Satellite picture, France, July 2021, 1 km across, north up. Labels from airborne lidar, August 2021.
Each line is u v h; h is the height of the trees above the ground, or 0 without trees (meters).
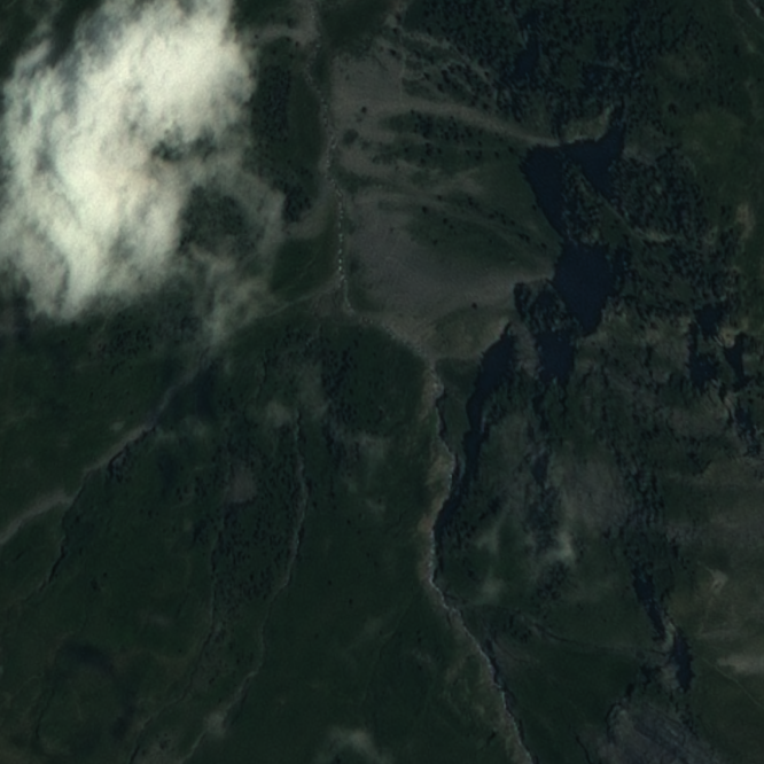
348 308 0
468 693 0
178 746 0
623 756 0
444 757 0
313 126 0
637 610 0
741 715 0
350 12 0
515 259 0
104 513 0
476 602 0
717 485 0
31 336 0
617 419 0
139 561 0
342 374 12
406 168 0
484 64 14
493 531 0
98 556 0
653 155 0
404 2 0
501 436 0
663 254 0
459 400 0
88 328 7
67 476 0
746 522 0
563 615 0
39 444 0
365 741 0
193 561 0
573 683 0
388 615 0
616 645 0
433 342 0
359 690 0
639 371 0
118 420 0
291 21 9
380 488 0
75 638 0
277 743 0
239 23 0
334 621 0
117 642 0
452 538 7
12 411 0
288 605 0
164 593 0
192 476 0
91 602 0
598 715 0
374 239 0
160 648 0
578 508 0
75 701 0
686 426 0
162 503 0
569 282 0
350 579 0
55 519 0
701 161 0
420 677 0
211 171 7
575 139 0
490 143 0
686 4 0
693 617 0
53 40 0
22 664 0
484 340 0
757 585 0
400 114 0
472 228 0
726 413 0
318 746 0
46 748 0
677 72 0
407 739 0
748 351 8
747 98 0
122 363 7
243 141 0
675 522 0
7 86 0
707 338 15
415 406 0
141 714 0
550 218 0
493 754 0
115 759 0
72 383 0
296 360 7
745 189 0
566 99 7
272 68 8
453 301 0
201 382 0
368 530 0
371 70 0
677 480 0
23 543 0
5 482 0
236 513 7
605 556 0
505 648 0
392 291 0
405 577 0
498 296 0
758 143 0
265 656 0
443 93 11
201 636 0
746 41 0
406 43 0
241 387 0
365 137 0
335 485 0
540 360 0
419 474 0
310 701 0
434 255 0
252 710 0
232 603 7
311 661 0
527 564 0
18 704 0
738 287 8
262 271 0
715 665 0
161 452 0
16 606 0
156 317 0
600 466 0
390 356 0
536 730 0
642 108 7
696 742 0
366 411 0
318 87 0
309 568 0
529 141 0
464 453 0
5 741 0
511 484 0
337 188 0
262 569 0
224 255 10
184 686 0
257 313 0
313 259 0
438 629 0
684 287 0
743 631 0
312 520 0
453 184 0
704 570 0
